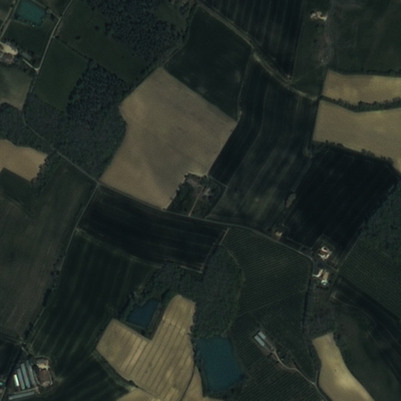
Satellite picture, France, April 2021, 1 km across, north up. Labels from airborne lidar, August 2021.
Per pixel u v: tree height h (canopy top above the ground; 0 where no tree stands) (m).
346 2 0
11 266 0
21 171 0
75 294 0
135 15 21
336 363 0
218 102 0
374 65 0
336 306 7
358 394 0
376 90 0
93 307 0
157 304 0
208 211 0
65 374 0
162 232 0
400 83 0
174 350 0
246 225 0
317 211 0
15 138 15
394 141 0
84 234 0
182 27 0
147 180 0
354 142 0
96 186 0
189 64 0
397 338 0
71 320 0
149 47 23
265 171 0
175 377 0
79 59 0
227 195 0
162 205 0
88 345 0
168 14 0
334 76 0
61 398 0
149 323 0
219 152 0
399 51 0
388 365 0
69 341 0
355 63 0
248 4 0
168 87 0
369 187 0
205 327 18
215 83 0
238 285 18
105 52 0
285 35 0
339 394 0
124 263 0
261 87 0
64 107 0
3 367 0
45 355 0
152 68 16
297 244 0
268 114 0
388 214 21
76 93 16
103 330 8
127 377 0
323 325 16
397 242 17
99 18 0
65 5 0
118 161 0
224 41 0
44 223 0
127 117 0
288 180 0
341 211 0
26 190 0
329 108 0
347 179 0
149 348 0
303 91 0
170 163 0
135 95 0
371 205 0
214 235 0
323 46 0
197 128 0
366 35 0
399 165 0
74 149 20
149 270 0
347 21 0
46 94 0
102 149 20
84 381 0
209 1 0
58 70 0
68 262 0
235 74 0
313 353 15
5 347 0
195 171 0
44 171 17
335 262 0
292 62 0
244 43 0
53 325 0
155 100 0
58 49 0
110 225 0
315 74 0
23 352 14
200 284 15
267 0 0
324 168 0
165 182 0
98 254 0
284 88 0
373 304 0
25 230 0
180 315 0
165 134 0
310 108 0
